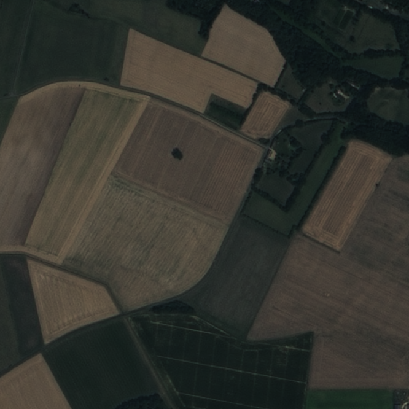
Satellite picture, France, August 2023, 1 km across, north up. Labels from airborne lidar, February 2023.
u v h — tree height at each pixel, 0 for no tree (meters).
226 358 0
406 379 0
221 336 0
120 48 0
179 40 0
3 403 0
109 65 0
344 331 0
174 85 0
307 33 0
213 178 0
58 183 0
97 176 0
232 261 0
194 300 0
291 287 0
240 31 0
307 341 0
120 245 0
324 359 0
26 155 0
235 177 0
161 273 0
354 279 0
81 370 0
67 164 0
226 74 0
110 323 0
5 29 0
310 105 0
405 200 0
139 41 0
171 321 0
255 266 0
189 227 0
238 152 0
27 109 0
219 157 0
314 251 0
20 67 0
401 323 0
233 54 0
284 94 8
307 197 0
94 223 0
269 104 0
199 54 0
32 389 0
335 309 0
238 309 0
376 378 0
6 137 0
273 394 0
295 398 0
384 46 0
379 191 0
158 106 0
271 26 14
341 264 0
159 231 0
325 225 0
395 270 0
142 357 0
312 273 0
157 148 0
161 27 0
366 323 0
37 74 0
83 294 0
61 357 0
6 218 0
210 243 0
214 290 0
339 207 0
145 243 0
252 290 0
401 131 25
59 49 0
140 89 0
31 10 0
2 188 0
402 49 16
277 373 0
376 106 0
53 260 0
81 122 0
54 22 0
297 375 0
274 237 0
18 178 0
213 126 0
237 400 0
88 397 0
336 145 0
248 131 0
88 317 0
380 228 0
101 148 0
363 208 0
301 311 0
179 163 0
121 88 0
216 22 0
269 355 0
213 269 0
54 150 0
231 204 0
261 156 0
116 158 0
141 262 0
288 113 0
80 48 0
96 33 0
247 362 0
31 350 0
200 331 0
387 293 0
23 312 0
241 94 0
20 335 0
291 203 13
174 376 0
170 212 0
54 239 0
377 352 0
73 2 0
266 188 0
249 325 0
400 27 29
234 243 0
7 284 0
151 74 0
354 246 0
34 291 0
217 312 0
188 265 0
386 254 0
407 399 0
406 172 0
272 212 0
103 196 0
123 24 0
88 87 0
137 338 0
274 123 0
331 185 0
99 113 0
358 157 0
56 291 0
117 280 0
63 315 0
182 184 0
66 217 0
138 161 0
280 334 0
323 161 0
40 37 0
